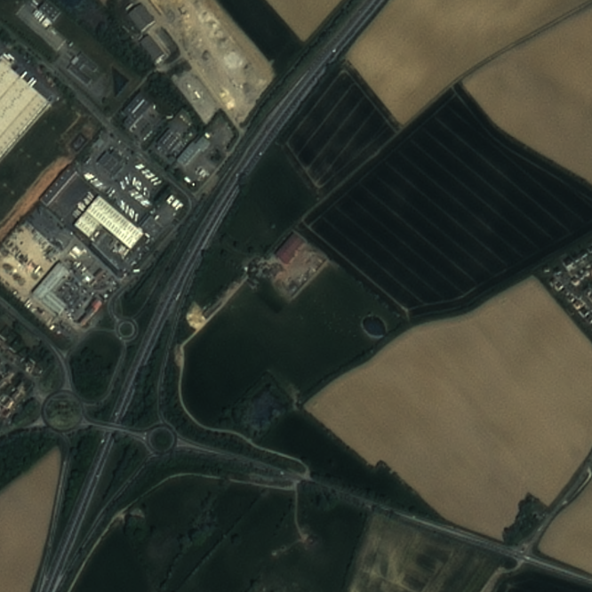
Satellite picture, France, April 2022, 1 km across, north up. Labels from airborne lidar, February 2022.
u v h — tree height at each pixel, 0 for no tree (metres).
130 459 11
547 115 0
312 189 0
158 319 0
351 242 0
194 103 0
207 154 0
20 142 0
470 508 0
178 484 0
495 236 0
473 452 0
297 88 0
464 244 0
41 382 0
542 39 0
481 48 0
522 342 0
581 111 0
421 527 0
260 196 0
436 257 0
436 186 0
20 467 18
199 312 0
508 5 0
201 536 20
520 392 0
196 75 0
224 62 0
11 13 0
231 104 0
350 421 0
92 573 0
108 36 14
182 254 0
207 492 0
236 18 0
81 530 0
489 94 0
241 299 0
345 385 0
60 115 0
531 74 0
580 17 0
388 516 13
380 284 0
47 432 13
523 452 0
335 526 0
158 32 0
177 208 0
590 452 0
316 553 0
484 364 0
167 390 10
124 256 0
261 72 0
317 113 0
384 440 0
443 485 0
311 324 0
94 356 7
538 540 0
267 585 0
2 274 0
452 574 0
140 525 21
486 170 0
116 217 0
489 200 0
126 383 0
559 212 0
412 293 0
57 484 0
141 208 0
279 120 0
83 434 10
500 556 0
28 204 6
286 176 0
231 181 0
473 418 0
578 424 0
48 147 0
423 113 0
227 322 0
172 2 0
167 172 9
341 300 0
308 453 0
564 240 0
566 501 0
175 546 0
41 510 0
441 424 0
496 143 0
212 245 0
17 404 0
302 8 0
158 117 0
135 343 0
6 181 0
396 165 0
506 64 0
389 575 0
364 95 0
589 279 0
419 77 0
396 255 0
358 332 0
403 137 0
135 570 0
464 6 0
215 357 0
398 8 0
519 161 0
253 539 0
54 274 0
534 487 0
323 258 0
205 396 0
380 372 0
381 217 0
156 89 6
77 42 0
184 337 7
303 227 0
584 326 0
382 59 0
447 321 0
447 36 0
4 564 0
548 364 0
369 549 0
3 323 0
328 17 0
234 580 0
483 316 0
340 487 17
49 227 0
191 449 0
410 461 0
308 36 0
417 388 0
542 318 0
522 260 0
